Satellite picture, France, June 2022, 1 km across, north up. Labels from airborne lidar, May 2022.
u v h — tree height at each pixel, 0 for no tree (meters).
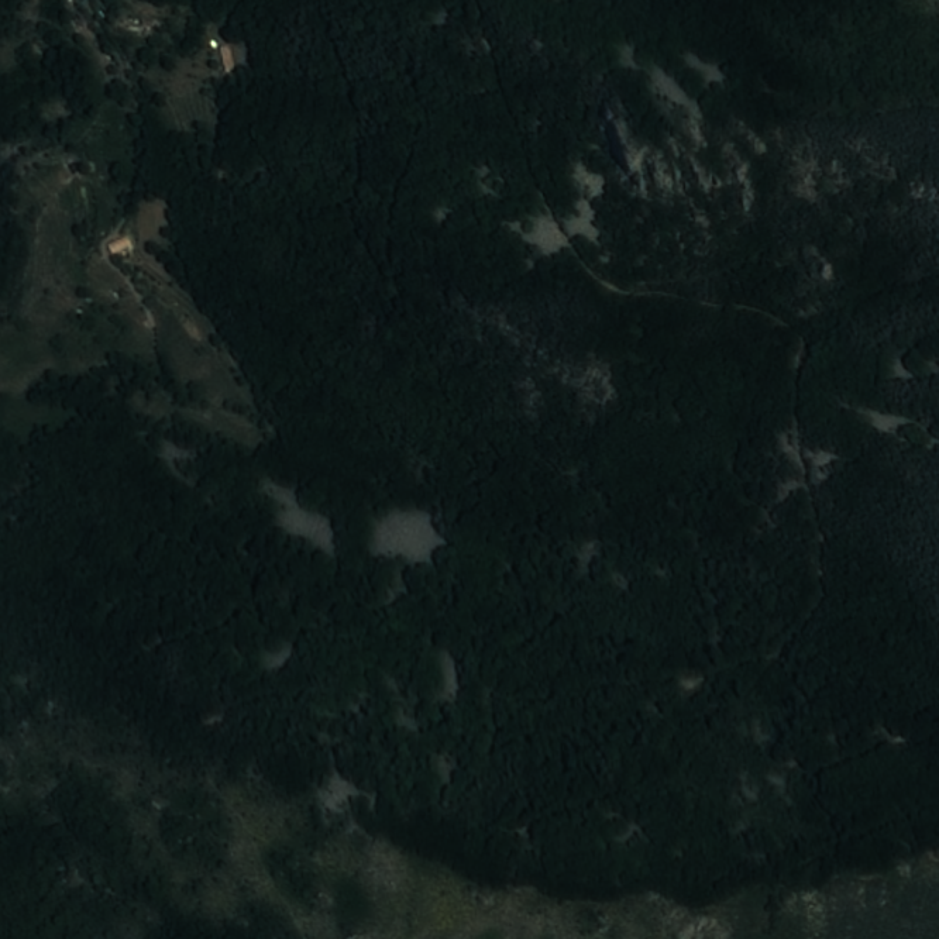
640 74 10
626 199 7
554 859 17
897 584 14
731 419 20
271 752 13
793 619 16
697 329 20
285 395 15
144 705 9
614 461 26
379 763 22
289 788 9
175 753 6
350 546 17
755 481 8
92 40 0
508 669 22
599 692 14
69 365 0
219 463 16
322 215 19
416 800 15
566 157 14
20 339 0
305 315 19
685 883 13
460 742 17
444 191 17
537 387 9
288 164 17
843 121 13
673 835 18
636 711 7
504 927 0
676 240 8
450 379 15
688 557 21
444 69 21
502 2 11
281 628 22
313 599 18
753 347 22
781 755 22
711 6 23
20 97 13
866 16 6
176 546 15
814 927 0
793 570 11
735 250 19
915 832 14
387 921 0
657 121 8
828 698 25
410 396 18
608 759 23
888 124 15
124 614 16
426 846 11
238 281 22
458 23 13
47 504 15
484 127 20
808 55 8
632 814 14
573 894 10
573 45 10
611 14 18
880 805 19
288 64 17
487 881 10
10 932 16
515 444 19
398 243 22
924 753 20
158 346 11
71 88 23
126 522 19
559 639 22
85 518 15
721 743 6
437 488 20
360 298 17
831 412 13
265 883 0
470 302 9
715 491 11
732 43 17
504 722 20
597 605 6
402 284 25
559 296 17
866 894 0
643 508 25
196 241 21
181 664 20
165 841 8
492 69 8
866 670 14
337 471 21
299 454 16
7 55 0
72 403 19
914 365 20
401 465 24
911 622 8
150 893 13
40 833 11
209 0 20
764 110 14
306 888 6
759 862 6
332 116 17
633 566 14
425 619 19
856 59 9
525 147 15
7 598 12
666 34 17
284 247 13
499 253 21
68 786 7
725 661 10
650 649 9
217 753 8
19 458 18
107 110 0
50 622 9
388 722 19
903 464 15
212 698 14
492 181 10
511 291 20
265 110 18
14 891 14
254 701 10
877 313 17
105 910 13
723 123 10
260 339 24
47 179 0
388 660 19
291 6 17
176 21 0
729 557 16
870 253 19
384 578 15
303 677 19
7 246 13
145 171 16
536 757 21
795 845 6
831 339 18
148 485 18
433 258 17
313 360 15
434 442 23
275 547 23
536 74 18
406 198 19
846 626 22
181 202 15
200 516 16
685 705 13
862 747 18
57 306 0
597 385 8
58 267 0
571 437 16
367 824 7
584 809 19
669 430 17
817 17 8
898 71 8
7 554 16
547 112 11
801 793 7
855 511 14
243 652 16
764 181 17
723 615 20
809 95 8
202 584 18
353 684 21
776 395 15
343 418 25
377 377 18
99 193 0
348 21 21
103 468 19
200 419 0
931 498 13
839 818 21
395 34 18
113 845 10
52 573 16
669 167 14
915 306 14
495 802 11
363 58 24
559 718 15
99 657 12
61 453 20
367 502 14
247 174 15
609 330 15
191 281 16
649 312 15
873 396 16
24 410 0
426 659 23
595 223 9
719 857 8
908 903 0
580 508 28
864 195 16
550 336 11
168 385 16
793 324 15
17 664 8
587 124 15
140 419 8
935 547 16
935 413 16
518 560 18
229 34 24
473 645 17
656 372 16
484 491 28
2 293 13
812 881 9
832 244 15
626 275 13
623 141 0
